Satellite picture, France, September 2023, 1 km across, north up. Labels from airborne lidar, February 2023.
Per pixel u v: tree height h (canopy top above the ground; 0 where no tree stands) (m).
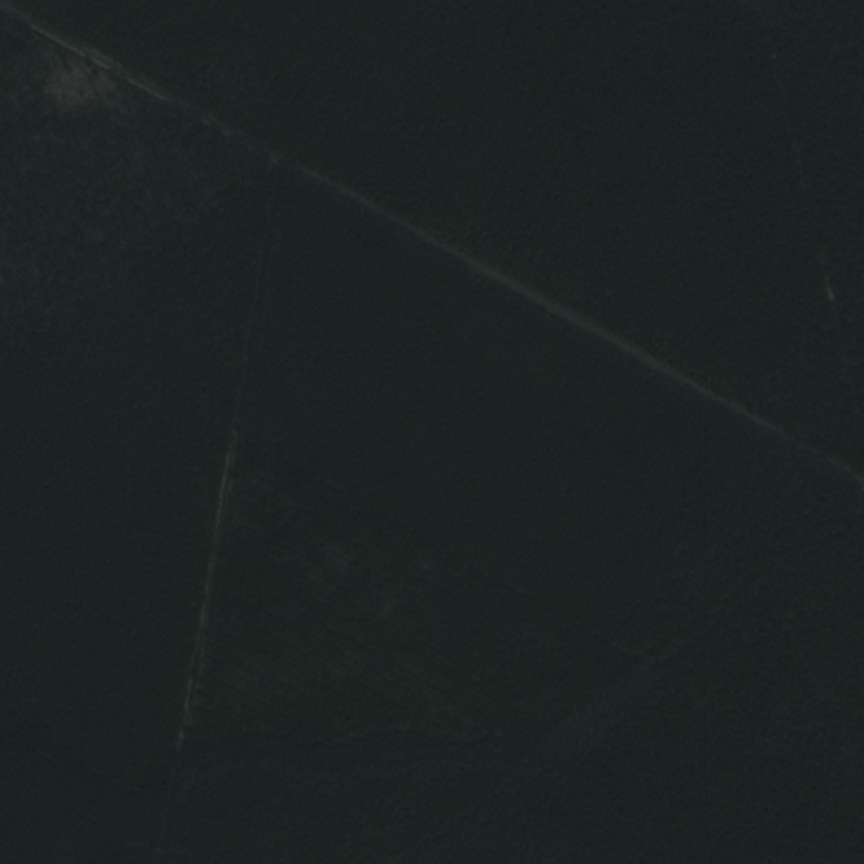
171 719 15
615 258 19
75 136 28
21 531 22
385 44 20
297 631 6
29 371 24
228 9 18
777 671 20
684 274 23
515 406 13
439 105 22
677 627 28
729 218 23
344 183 14
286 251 16
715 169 24
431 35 22
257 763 23
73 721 24
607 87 25
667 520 23
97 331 21
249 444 8
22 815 10
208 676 6
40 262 26
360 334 15
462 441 16
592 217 21
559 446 14
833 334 27
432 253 13
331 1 21
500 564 14
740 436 19
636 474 17
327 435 12
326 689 7
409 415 14
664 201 21
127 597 22
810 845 21
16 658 14
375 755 9
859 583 29
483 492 17
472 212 18
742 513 29
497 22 20
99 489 24
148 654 18
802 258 23
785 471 28
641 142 23
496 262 17
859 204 27
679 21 26
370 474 16
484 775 26
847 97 34
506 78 21
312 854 18
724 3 20
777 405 29
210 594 9
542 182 22
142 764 21
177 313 20
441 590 6
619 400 14
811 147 26
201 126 27
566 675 11
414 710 7
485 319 11
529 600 11
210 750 11
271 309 15
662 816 31
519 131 22
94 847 11
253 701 5
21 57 10
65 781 6
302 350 12
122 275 22
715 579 24
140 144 24
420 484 14
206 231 22
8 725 12
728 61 25
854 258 30
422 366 15
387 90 20
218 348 22
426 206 22
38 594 18
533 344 9
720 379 18
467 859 28
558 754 23
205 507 17
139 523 24
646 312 20
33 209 27
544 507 14
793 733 24
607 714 25
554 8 23
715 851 24
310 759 11
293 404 16
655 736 22
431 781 21
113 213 30
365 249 15
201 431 18
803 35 30
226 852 20
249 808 16
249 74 13
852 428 35
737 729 20
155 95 0
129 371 21
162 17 17
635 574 15
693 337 22
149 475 25
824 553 28
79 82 19
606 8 24
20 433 23
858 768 25
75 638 18
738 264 23
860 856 22
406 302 15
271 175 20
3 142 29
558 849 20
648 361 0
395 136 22
